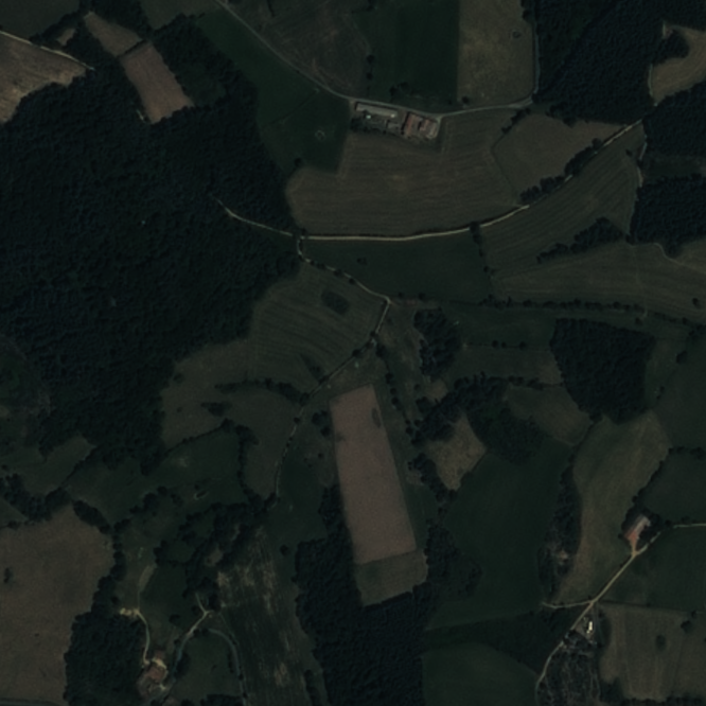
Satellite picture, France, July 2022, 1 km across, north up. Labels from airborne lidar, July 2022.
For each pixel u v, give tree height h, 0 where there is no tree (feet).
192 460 0
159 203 54
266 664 0
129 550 0
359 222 0
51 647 0
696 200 63
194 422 0
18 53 0
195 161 58
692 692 0
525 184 0
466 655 0
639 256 0
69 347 84
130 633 57
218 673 0
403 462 0
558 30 29
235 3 49
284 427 0
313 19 0
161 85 0
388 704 39
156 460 44
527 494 0
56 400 26
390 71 0
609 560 0
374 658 41
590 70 53
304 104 0
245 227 51
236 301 41
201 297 52
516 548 0
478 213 0
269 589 0
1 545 0
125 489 0
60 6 0
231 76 63
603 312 35
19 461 0
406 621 59
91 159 52
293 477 0
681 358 38
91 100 63
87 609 0
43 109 35
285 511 0
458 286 0
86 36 31
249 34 0
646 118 52
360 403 0
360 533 0
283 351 0
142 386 70
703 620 0
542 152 0
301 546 31
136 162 61
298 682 0
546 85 31
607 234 43
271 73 0
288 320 0
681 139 57
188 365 0
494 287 0
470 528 0
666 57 53
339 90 0
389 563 0
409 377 0
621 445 0
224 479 0
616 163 0
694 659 0
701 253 0
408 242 0
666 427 0
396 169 0
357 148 0
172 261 59
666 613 0
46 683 0
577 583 0
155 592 0
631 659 0
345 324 0
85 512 71
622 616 0
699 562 0
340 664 58
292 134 0
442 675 0
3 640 0
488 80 0
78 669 28
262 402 0
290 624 0
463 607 0
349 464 0
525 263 0
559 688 22
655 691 0
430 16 0
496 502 0
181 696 0
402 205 0
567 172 31
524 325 0
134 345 23
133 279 35
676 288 0
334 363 0
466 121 0
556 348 33
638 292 0
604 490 0
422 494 0
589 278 0
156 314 47
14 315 59
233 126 64
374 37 0
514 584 0
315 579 37
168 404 0
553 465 0
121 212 43
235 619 0
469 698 0
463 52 0
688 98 76
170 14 0
